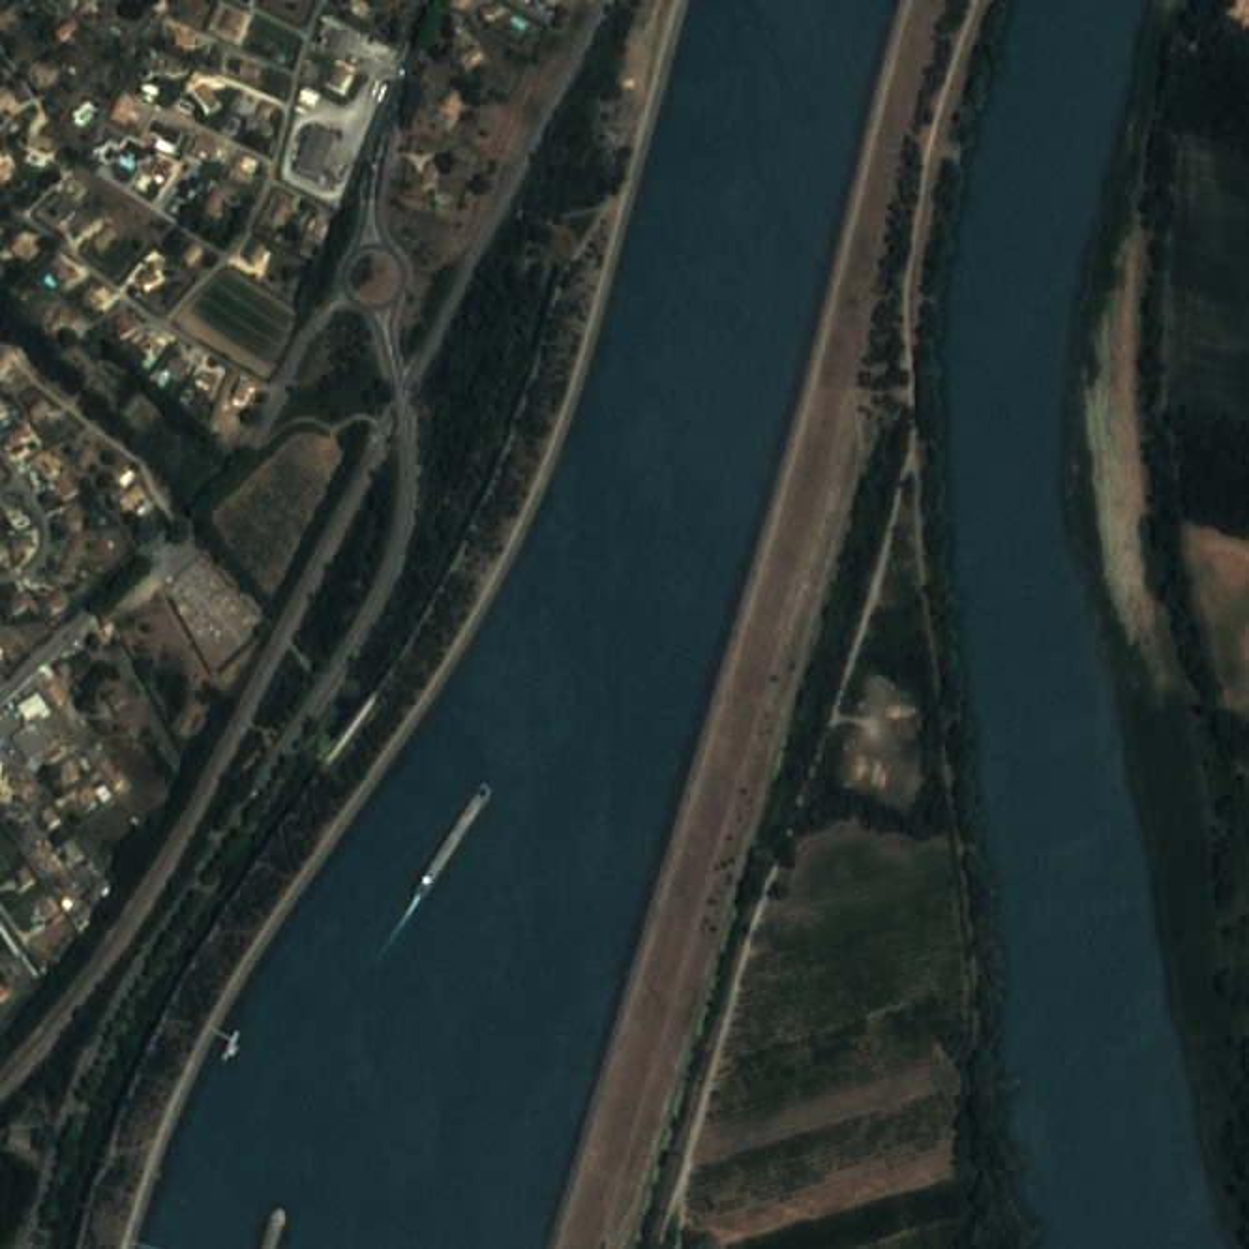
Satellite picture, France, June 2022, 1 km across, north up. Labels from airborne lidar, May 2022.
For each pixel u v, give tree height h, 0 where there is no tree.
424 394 6
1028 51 0
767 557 0
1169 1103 0
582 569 0
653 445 0
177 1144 0
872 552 6
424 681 7
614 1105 0
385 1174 0
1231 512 15
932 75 19
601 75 8
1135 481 0
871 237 0
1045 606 0
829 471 0
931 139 0
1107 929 0
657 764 0
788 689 0
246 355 0
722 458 0
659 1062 0
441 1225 0
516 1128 0
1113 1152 0
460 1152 0
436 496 13
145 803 0
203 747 14
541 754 0
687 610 0
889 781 0
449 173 11
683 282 0
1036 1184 0
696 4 0
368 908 0
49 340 12
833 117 0
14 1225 7
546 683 0
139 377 6
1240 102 16
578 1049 0
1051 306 0
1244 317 0
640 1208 0
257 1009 0
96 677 10
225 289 0
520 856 0
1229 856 16
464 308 8
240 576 7
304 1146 0
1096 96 0
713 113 0
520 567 0
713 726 0
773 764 0
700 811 0
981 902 14
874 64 0
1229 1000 24
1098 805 0
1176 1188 0
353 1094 0
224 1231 0
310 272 13
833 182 0
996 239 0
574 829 0
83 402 6
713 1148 0
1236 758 25
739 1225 0
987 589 0
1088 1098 0
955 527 0
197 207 12
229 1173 0
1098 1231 0
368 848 0
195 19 0
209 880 17
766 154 0
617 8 10
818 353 0
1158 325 19
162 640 0
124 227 0
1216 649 0
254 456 15
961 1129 11
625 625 0
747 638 0
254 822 18
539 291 19
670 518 0
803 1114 0
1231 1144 12
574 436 0
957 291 0
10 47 7
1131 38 0
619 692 0
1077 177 0
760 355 0
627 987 0
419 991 0
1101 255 0
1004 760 0
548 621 0
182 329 0
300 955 0
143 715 0
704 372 0
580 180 8
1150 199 7
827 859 0
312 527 6
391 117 0
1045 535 0
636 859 0
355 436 9
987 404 0
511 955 0
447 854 0
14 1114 9
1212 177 0
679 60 0
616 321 0
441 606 6
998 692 0
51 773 20
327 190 0
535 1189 0
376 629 10
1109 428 0
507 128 0
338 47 0
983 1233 23
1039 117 0
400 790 0
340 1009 0
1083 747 0
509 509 6
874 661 6
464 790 0
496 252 6
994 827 0
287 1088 0
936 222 7
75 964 11
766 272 0
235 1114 0
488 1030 0
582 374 0
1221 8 21
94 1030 15
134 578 19
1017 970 0
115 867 10
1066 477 0
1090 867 0
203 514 18
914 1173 0
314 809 8
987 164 0
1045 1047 0
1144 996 0
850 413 0
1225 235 0
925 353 16
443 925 0
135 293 7
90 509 8
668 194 0
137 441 15
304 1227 0
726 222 0
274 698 8
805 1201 0
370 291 0
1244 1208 7
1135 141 0
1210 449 10
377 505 23
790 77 0
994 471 0
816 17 0
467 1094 0
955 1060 15
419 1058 0
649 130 0
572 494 0
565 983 0
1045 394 0
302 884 0
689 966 0
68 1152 19
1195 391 0
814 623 0
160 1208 0
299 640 8
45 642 6
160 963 14
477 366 7
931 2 0
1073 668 0
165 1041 11
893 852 0
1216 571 0
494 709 0
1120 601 0
